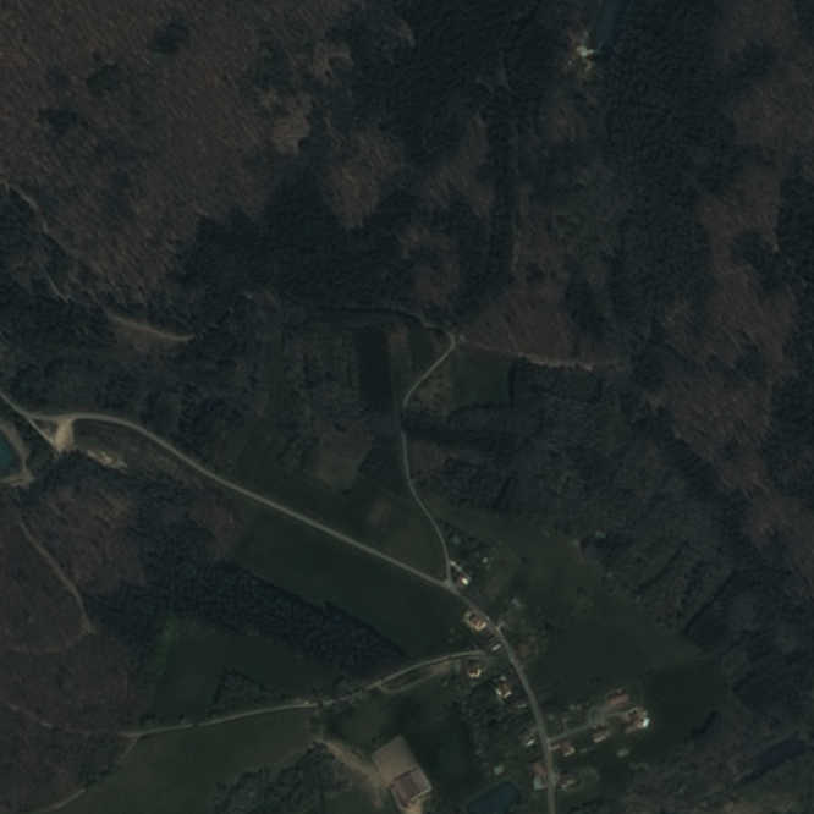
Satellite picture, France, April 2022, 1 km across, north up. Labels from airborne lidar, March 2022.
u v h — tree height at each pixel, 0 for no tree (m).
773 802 0
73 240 7
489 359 12
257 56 20
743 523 19
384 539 0
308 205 21
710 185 27
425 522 0
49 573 18
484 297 31
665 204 26
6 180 26
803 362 17
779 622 29
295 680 0
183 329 21
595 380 11
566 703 0
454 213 15
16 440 0
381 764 0
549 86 21
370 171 23
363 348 12
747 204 17
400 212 22
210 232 23
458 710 14
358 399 17
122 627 18
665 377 19
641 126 31
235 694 22
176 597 26
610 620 0
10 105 27
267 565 0
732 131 24
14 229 33
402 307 17
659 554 16
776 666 28
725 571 17
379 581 0
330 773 17
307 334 11
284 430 13
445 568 0
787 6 19
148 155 24
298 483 0
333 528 0
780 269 19
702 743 17
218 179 27
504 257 25
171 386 20
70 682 28
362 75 21
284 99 16
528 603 0
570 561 0
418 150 23
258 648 0
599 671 0
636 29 28
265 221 23
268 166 23
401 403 0
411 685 0
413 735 0
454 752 0
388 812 0
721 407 22
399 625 0
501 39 24
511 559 0
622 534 10
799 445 19
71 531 22
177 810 0
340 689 13
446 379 0
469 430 18
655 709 0
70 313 30
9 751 11
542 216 20
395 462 9
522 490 23
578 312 22
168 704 0
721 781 0
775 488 18
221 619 29
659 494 7
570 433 26
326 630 36
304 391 13
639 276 27
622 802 0
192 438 31
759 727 13
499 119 28
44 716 16
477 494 18
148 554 15
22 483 0
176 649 0
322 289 28
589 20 29
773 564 16
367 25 25
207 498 14
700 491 23
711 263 26
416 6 27
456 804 0
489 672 0
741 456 20
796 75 22
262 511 0
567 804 0
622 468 21
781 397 20
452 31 21
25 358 13
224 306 21
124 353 21
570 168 13
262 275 26
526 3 19
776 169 15
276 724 0
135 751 0
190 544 20
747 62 20
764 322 0
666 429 22
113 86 17
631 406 32
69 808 0
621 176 19
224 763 0
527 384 26
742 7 20
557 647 0
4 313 20
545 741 0
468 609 0
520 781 0
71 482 8
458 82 22
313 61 20
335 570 0
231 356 20
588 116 33
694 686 0
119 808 0
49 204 28
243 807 30
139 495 10
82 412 17
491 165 19
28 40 23
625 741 0
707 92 26
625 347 17
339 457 0
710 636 16
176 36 17
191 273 19
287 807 19
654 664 0
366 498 0
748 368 22
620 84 25
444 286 19
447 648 0
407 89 27
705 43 22
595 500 17
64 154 28
